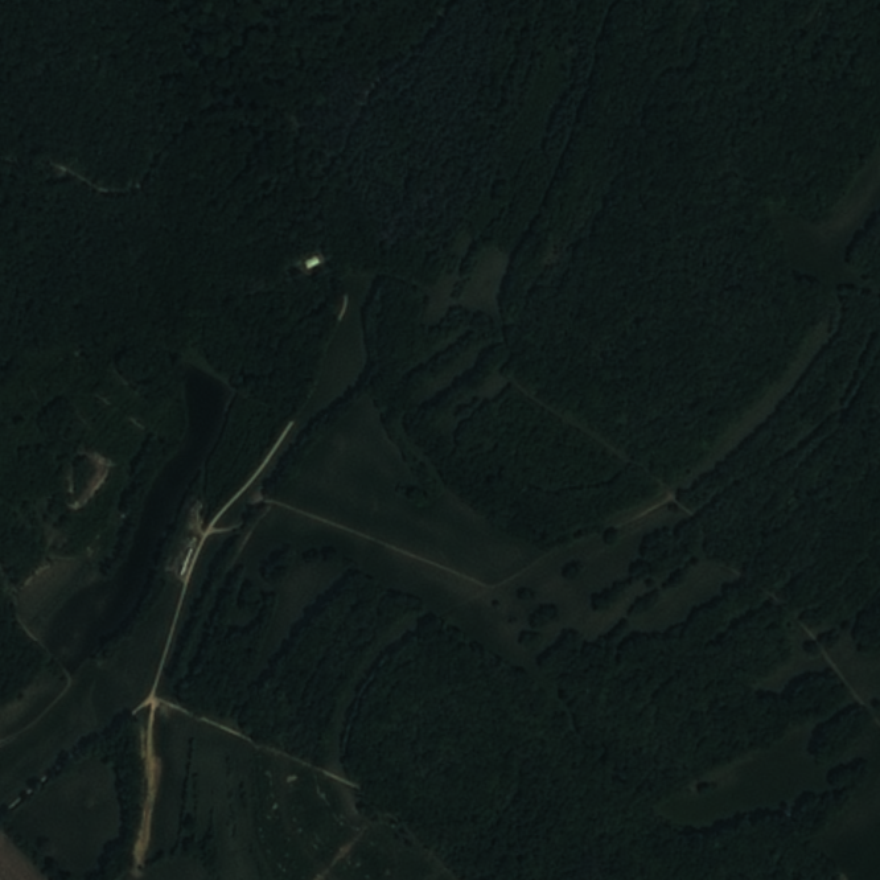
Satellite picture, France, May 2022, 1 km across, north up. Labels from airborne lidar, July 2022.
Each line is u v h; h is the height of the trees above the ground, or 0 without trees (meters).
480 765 16
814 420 14
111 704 0
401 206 0
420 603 14
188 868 0
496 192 14
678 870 19
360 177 16
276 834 0
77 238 14
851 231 0
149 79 16
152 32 26
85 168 17
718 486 16
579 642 13
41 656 19
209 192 17
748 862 14
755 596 16
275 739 15
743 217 21
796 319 20
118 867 15
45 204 16
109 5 18
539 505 20
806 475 19
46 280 13
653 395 17
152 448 20
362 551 0
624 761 17
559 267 8
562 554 0
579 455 9
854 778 18
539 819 11
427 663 18
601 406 14
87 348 18
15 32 19
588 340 18
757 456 15
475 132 16
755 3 14
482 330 11
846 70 18
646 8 17
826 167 22
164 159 18
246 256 19
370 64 11
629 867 15
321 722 13
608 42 19
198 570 0
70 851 0
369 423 0
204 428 0
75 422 21
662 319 16
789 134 25
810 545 18
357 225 21
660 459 15
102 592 0
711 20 15
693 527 16
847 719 20
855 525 24
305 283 20
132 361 21
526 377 16
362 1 27
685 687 18
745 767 0
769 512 22
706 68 17
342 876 0
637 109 14
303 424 0
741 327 18
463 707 13
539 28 15
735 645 19
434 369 13
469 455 6
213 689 18
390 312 23
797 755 0
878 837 0
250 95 28
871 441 20
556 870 17
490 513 15
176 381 18
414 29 13
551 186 13
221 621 15
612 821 21
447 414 10
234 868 0
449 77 15
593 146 16
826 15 6
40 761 0
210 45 27
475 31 20
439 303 0
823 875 19
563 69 11
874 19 23
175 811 0
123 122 15
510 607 0
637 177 21
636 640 19
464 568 0
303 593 0
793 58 13
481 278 0
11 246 16
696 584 0
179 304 23
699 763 19
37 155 17
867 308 15
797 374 0
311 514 0
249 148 20
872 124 20
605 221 20
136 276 27
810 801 19
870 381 17
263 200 20
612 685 16
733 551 17
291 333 26
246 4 22
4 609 11
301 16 21
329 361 0
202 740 0
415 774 13
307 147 22
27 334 18
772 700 22
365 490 0
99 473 0
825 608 17
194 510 0
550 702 15
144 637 0
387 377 18
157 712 0
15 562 15
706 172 17
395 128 15
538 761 14
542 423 9
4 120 17
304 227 20
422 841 11
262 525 0
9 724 0
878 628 22
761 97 18
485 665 21
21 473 17
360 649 16
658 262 15
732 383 17
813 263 0
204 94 28
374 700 17
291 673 19
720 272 11
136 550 0
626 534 0
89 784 0
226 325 22
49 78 16
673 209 14
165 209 17
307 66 19
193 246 21
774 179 18
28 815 0
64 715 0
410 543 0
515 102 12
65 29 16
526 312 18
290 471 16
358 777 12
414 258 18
